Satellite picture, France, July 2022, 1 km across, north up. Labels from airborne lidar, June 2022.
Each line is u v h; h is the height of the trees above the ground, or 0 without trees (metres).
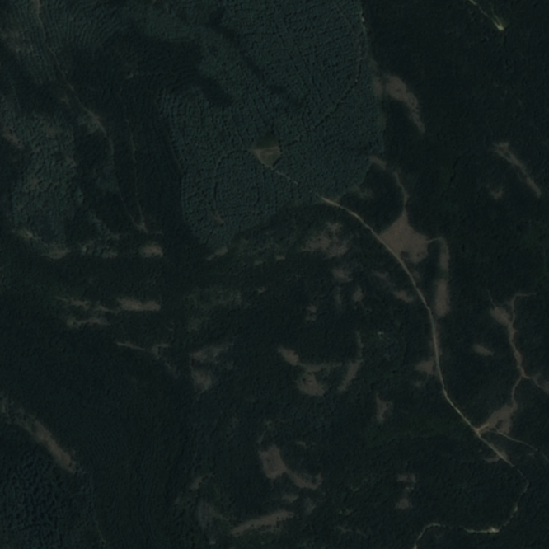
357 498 11
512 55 14
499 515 7
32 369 16
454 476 13
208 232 10
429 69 9
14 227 8
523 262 9
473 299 6
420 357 7
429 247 7
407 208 7
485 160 8
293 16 14
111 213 8
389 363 6
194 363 8
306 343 10
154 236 6
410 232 0
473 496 10
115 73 12
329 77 13
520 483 14
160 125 11
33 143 8
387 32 8
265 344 11
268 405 13
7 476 13
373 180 7
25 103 7
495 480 14
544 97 13
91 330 10
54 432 8
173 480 14
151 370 14
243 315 14
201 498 9
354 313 7
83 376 18
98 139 7
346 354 8
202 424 6
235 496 11
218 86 12
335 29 11
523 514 8
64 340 13
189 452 7
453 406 6
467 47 7
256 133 16
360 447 8
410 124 6
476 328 7
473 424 6
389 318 8
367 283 9
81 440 15
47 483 24
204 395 8
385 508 12
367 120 13
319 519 9
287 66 18
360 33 10
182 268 8
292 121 11
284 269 13
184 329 9
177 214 14
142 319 11
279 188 14
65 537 16
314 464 10
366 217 8
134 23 15
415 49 6
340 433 10
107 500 17
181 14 8
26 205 9
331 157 14
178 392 14
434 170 6
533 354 6
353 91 13
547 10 14
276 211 10
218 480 9
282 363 9
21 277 11
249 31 15
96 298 7
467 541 9
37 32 11
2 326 20
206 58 14
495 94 10
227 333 11
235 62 13
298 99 14
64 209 11
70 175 11
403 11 6
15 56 7
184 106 12
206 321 7
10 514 17
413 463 9
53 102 8
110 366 14
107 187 11
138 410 17
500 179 7
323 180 14
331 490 12
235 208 12
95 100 7
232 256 8
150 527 19
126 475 12
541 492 13
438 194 9
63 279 13
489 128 6
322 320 9
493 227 6
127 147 6
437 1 13
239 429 6
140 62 6
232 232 12
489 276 5
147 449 19
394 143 7
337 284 8
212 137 11
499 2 11
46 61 10
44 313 12
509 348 7
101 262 13
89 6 12
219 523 6
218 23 13
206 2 14
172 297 11
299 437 9
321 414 7
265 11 13
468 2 12
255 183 13
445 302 0
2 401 6
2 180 9
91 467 15
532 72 12
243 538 8
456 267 6
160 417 13
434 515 11
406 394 6
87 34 11
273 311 10
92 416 12
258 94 14
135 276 14
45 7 9
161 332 7
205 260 8
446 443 11
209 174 14
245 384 9
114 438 14
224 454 12
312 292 8
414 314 9
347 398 8
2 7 8
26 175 10
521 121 9
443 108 9
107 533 13
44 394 17
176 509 8
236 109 13
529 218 14
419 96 6
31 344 16
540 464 5
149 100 11
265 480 9
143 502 23
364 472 11
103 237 7
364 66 13
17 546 8
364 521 11
